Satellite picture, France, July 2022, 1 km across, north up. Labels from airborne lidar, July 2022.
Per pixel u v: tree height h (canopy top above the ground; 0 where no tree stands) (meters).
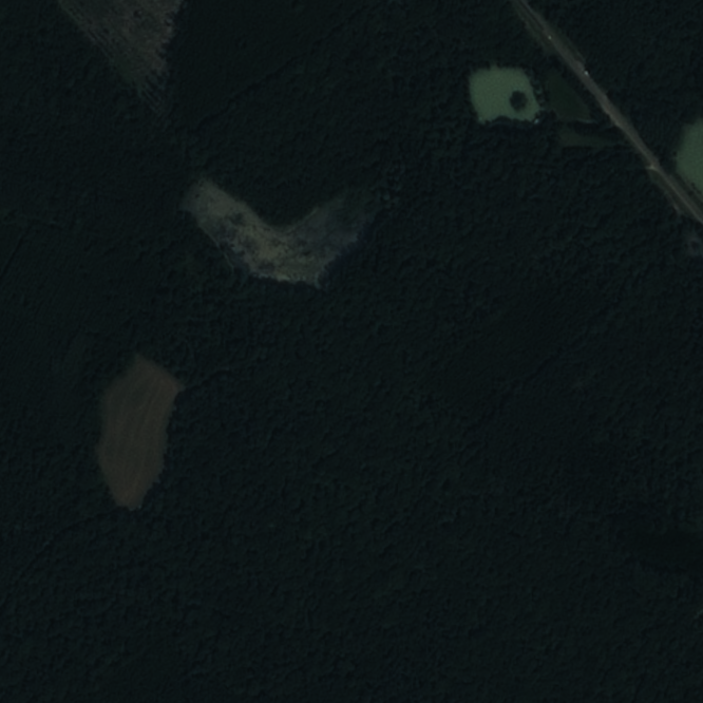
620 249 21
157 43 0
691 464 12
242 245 0
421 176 28
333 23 11
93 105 17
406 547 23
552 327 11
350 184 22
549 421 19
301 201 17
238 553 23
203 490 21
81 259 16
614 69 12
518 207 22
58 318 14
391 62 15
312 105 21
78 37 20
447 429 20
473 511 23
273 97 17
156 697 14
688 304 23
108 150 17
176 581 25
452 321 19
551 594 23
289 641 19
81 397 13
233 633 18
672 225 11
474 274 20
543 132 20
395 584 20
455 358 10
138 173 15
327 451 17
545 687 24
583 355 21
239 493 18
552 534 22
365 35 18
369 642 25
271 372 22
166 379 0
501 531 21
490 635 22
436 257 17
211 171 23
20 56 19
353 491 20
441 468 25
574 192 21
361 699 16
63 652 21
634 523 30
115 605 19
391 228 21
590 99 25
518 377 9
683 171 0
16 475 19
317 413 21
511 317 11
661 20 17
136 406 0
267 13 9
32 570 19
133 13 0
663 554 7
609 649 23
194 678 19
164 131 18
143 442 0
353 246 0
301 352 20
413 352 19
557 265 16
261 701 18
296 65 21
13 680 24
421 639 19
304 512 21
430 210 21
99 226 18
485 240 20
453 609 23
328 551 19
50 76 17
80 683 20
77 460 15
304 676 16
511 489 18
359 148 21
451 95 26
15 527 15
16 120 15
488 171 23
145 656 12
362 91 17
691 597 18
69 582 16
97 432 15
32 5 20
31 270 13
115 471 0
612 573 20
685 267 8
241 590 21
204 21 10
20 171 18
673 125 34
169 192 23
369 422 23
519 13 18
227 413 18
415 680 19
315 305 22
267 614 21
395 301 20
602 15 15
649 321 20
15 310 13
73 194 21
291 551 23
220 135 20
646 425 19
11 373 12
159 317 20
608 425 20
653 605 19
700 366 24
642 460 12
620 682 24
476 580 18
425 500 26
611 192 17
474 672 21
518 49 22
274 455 22
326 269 0
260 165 21
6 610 19
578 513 23
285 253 0
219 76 10
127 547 24
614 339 23
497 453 20
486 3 23
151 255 12
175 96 18
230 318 13
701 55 17
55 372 18
